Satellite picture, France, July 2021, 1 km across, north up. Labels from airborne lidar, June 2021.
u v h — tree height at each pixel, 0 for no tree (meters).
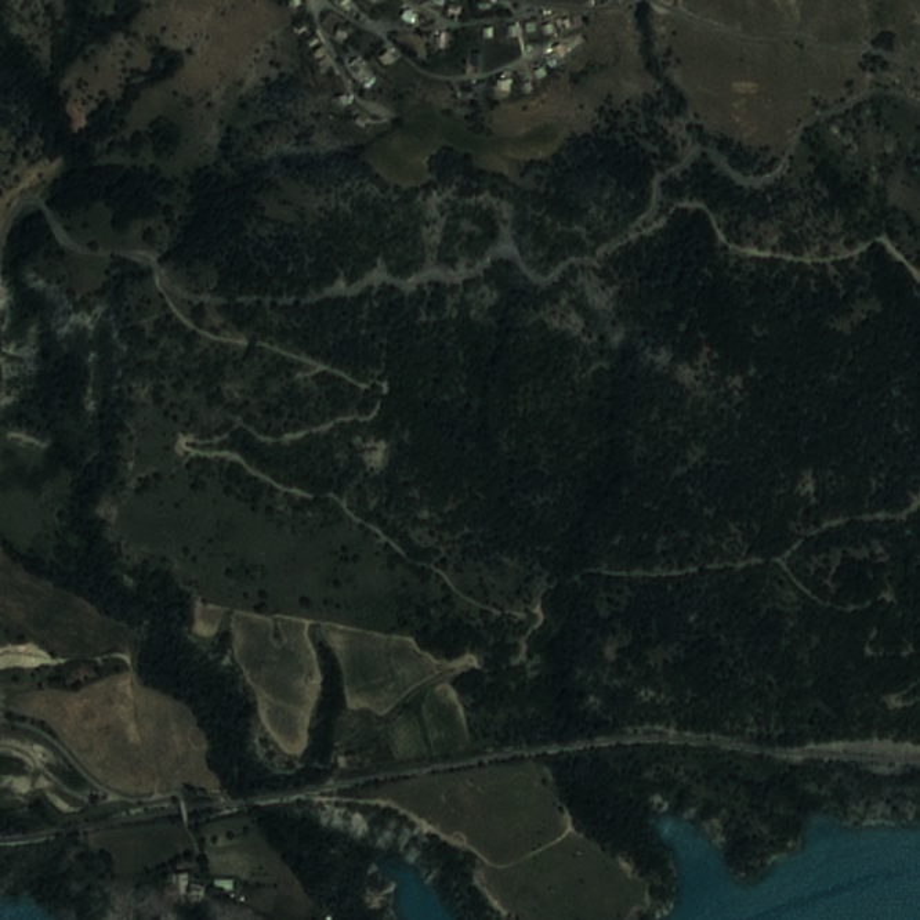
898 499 6
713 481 8
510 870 0
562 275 7
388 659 0
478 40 0
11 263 7
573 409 11
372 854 6
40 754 0
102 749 0
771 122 0
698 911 0
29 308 8
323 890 9
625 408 8
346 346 6
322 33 0
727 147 7
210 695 12
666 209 8
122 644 0
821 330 9
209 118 0
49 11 9
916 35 0
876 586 9
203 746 0
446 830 0
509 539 9
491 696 8
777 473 9
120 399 6
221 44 0
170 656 8
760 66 0
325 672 7
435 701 0
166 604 14
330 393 6
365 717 0
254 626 0
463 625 7
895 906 0
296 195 0
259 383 6
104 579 20
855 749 0
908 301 12
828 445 7
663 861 10
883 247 8
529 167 8
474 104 11
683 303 9
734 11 0
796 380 6
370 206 6
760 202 8
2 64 10
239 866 0
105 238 0
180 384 7
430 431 7
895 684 7
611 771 6
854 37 0
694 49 0
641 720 10
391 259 5
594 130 8
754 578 7
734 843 7
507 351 9
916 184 0
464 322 9
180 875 0
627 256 9
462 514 6
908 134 0
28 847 7
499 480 11
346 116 6
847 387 8
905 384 7
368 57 7
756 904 0
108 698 0
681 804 7
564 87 0
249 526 0
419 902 0
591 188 6
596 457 7
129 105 10
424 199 6
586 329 11
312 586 0
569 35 0
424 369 6
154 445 0
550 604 11
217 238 11
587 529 7
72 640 0
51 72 8
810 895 0
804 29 0
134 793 0
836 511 6
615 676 5
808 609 6
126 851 0
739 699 9
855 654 7
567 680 9
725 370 7
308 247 7
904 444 6
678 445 7
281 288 7
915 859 0
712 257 8
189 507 0
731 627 7
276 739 0
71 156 17
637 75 0
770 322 9
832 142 0
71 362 10
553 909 0
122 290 7
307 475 7
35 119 14
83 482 6
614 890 0
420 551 6
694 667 9
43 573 9
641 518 7
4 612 0
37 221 11
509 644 6
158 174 9
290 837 10
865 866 0
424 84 0
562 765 14
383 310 7
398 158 0
